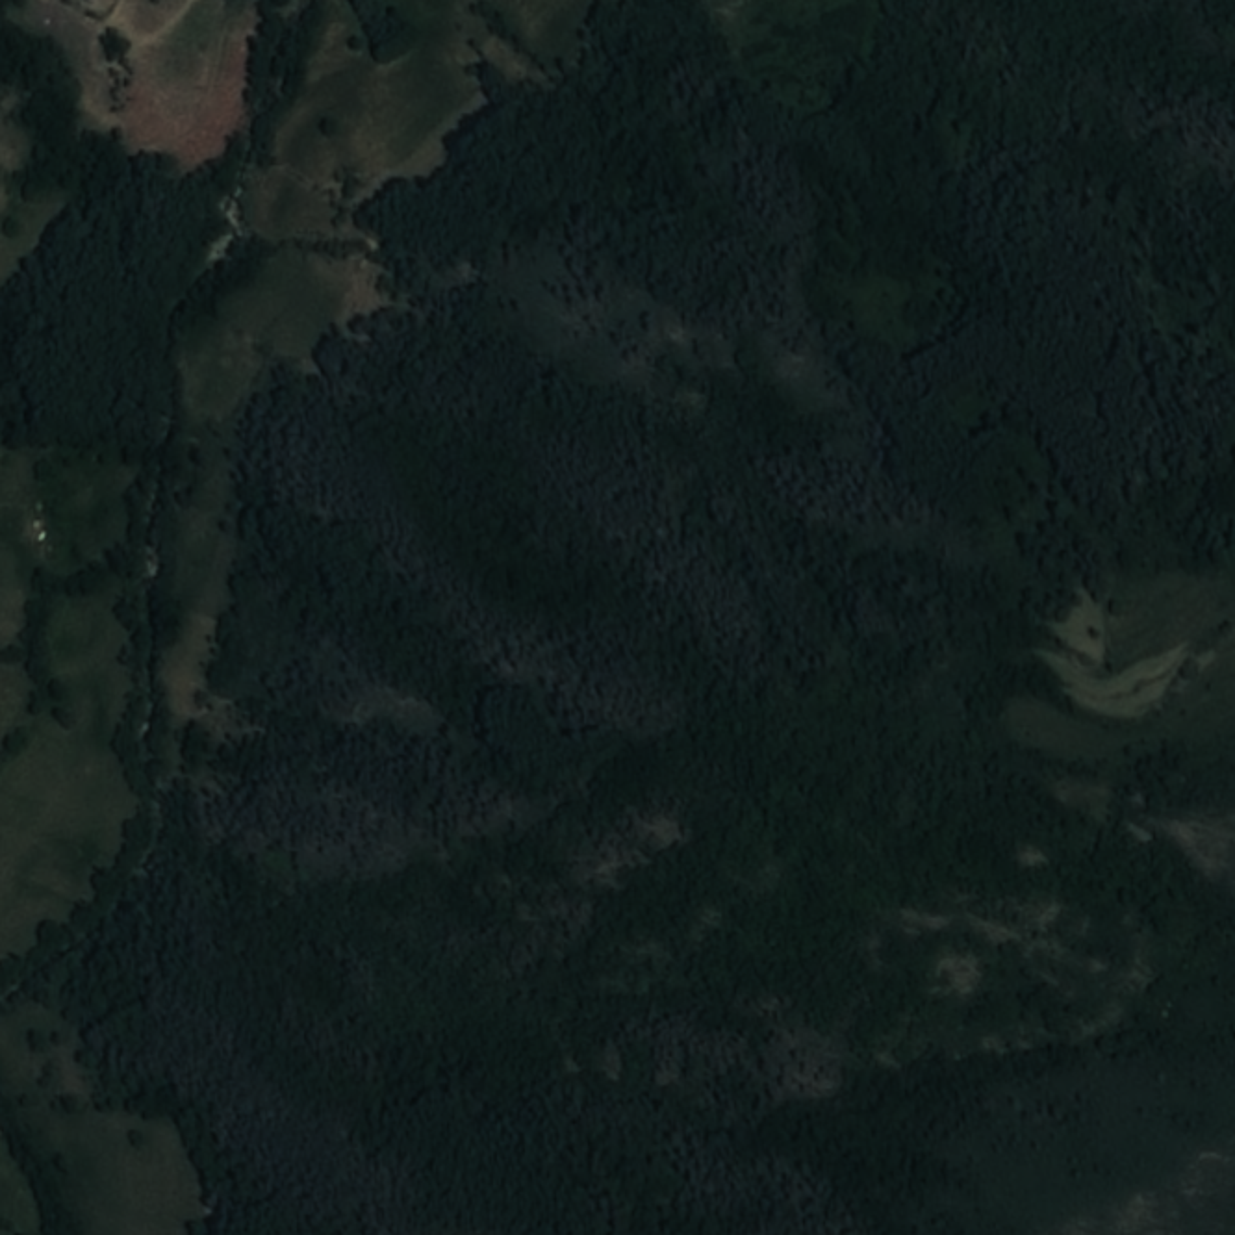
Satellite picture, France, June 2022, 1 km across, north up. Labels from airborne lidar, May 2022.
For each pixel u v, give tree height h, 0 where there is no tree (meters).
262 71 26
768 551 6
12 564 0
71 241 33
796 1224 17
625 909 13
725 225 13
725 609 17
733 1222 16
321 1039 27
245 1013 23
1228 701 0
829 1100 8
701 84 18
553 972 11
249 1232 33
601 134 13
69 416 39
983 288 27
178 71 0
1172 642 0
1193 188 11
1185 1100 0
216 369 0
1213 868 0
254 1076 17
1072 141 16
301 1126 14
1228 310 14
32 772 0
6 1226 13
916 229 13
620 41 12
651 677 16
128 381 41
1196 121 16
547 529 16
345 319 0
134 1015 11
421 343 16
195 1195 0
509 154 30
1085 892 6
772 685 9
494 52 0
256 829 13
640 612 20
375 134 0
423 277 25
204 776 0
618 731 6
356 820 11
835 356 12
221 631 9
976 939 12
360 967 16
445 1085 17
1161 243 15
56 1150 0
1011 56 14
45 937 18
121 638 0
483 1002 14
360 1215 8
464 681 12
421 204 29
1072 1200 0
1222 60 9
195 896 15
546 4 0
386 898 15
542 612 15
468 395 13
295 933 16
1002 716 7
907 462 37
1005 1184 0
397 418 16
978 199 25
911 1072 18
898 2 23
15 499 0
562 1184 28
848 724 6
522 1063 9
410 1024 7
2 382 22
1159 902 12
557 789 17
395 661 18
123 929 18
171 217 37
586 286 13
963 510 28
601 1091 16
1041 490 18
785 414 11
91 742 0
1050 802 7
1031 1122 9
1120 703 0
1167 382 25
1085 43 13
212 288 14
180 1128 14
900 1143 11
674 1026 20
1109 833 6
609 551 13
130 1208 0
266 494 8
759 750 11
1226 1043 6
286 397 18
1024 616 9
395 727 10
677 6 15
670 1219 18
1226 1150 0
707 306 17
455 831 12
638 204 14
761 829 8
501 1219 22
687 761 14
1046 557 9
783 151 16
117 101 9
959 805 12
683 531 11
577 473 22
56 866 0
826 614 12
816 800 11
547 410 30
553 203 21
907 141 19
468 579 12
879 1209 12
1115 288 23
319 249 8
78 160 9
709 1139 19
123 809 0
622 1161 17
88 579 19
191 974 27
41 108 20
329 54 0
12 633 0
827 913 8
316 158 0
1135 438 23
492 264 26
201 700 8
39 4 0
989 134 10
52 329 41
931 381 30
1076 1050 8
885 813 10
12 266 0
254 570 6
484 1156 29
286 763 12
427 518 13
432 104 0
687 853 9
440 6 0
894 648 13
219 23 0
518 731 38
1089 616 0
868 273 14
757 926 10
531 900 13
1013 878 10
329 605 13
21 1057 0
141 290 37
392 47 27
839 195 17
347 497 14
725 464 8
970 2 18
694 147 10
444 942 15
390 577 10
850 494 12
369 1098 23
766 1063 13
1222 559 20
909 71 20
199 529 0
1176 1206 0
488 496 13
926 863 6
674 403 7
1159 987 10
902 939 6
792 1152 14
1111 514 11
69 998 7
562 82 6
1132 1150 0
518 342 15
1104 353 20
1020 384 25
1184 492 13
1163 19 12
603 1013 8
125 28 0
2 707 0
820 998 12
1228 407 22
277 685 7
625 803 12
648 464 11
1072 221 20
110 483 0
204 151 0
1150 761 8
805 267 7
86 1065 16
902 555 15
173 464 16
